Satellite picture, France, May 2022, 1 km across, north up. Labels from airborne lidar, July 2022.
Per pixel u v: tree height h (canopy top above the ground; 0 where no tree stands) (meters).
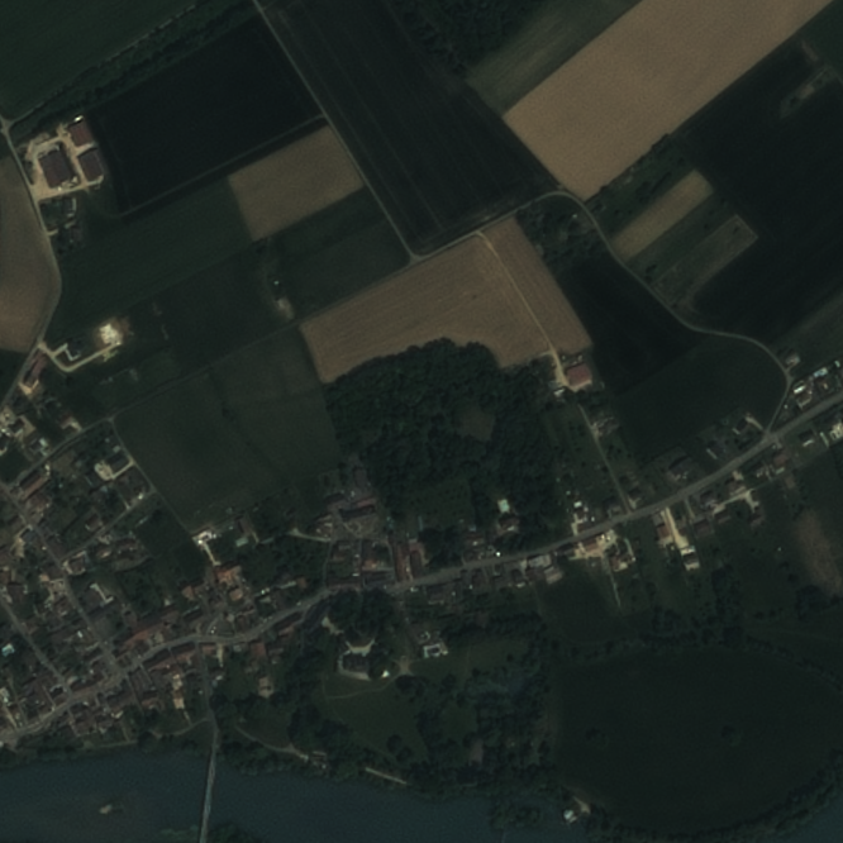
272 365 0
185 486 0
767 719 0
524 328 0
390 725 0
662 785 0
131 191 0
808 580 0
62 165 0
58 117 12
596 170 0
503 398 20
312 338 0
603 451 0
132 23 0
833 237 0
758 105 0
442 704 16
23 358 0
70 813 0
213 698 6
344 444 11
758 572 0
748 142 0
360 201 0
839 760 18
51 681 0
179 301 0
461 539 18
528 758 18
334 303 0
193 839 0
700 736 0
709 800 0
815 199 0
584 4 0
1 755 16
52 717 0
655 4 0
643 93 0
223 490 0
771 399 0
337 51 0
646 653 0
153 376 0
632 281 0
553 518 21
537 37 0
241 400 0
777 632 0
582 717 0
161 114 0
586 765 0
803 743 0
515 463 23
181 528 0
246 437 0
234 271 0
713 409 0
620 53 0
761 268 0
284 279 0
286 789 0
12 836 0
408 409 20
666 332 0
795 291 0
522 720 19
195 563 0
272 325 0
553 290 0
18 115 0
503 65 0
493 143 0
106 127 0
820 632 0
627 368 0
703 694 0
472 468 23
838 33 0
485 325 0
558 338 0
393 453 15
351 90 0
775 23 0
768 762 0
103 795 0
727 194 0
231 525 0
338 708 0
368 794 0
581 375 0
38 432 0
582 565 0
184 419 0
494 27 24
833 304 0
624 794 0
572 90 0
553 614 0
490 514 19
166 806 0
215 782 0
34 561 7
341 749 27
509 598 10
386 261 0
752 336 0
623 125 0
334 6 0
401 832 0
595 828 21
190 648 0
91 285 0
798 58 0
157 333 0
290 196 0
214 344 0
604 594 0
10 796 0
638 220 0
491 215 0
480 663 0
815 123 0
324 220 0
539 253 0
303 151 0
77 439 0
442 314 0
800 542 0
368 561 0
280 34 0
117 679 0
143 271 0
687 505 0
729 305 0
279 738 0
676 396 0
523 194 0
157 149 0
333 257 0
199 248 0
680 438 0
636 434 0
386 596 18
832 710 0
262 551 10
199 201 0
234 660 9
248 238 0
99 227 0
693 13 0
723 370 0
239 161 0
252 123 0
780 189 0
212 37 11
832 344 0
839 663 0
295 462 0
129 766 0
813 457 0
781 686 0
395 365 20
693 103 0
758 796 0
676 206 0
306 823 0
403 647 0
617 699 0
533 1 23
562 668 0
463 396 21
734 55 0
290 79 0
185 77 0
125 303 0
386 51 0
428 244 0
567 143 0
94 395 0
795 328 0
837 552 0
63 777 0
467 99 0
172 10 0
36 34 0
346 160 0
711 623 13
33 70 0
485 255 0
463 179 0
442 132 0
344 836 0
